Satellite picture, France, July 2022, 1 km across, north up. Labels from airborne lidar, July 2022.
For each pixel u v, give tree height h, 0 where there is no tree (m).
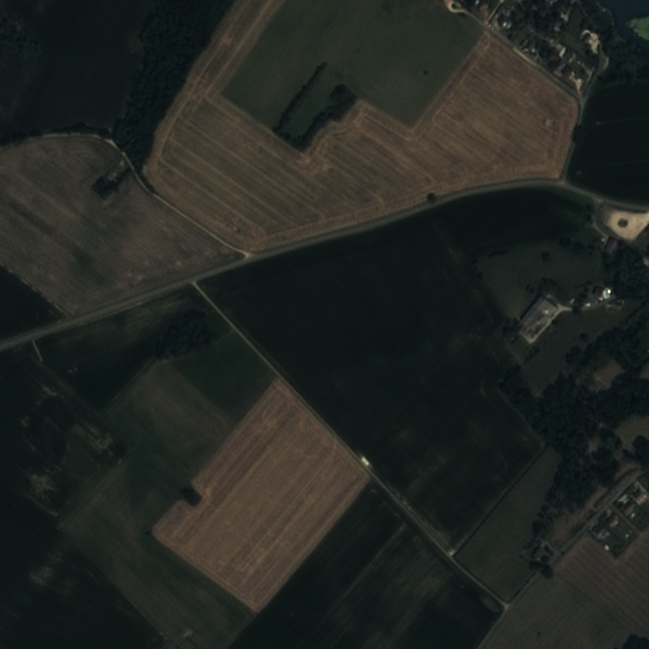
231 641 0
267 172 0
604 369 0
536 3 17
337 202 0
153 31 15
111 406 0
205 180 0
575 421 28
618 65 14
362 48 0
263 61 0
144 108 21
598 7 14
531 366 0
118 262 0
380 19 0
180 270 0
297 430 0
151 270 0
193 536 0
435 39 0
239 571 0
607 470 23
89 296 0
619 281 15
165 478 0
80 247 0
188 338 20
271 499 0
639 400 26
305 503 0
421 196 0
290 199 0
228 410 0
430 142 0
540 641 0
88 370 0
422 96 0
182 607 0
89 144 0
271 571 0
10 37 15
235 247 0
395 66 0
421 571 0
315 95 0
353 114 0
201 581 0
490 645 0
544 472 0
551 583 0
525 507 0
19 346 0
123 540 0
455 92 0
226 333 0
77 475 0
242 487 0
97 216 0
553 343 0
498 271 0
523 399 17
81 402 0
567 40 0
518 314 0
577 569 0
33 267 0
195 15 11
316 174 0
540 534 12
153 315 0
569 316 0
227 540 0
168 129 0
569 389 29
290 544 0
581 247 17
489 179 0
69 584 0
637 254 19
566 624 0
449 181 0
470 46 0
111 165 0
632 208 0
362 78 0
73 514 0
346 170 0
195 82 0
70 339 0
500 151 0
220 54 0
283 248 0
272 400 0
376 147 0
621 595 0
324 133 0
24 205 0
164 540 0
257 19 0
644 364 9
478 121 0
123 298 0
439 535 0
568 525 0
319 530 0
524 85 0
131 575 0
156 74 25
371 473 0
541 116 0
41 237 0
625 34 0
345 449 0
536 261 0
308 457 0
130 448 0
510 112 0
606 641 0
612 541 0
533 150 0
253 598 0
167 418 0
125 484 0
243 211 0
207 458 0
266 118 0
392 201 0
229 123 0
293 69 0
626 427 0
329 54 0
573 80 0
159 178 0
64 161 0
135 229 0
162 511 0
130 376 0
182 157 0
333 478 0
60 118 0
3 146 13
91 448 0
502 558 0
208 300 0
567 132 0
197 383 0
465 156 0
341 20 0
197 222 0
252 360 0
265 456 0
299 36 0
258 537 0
